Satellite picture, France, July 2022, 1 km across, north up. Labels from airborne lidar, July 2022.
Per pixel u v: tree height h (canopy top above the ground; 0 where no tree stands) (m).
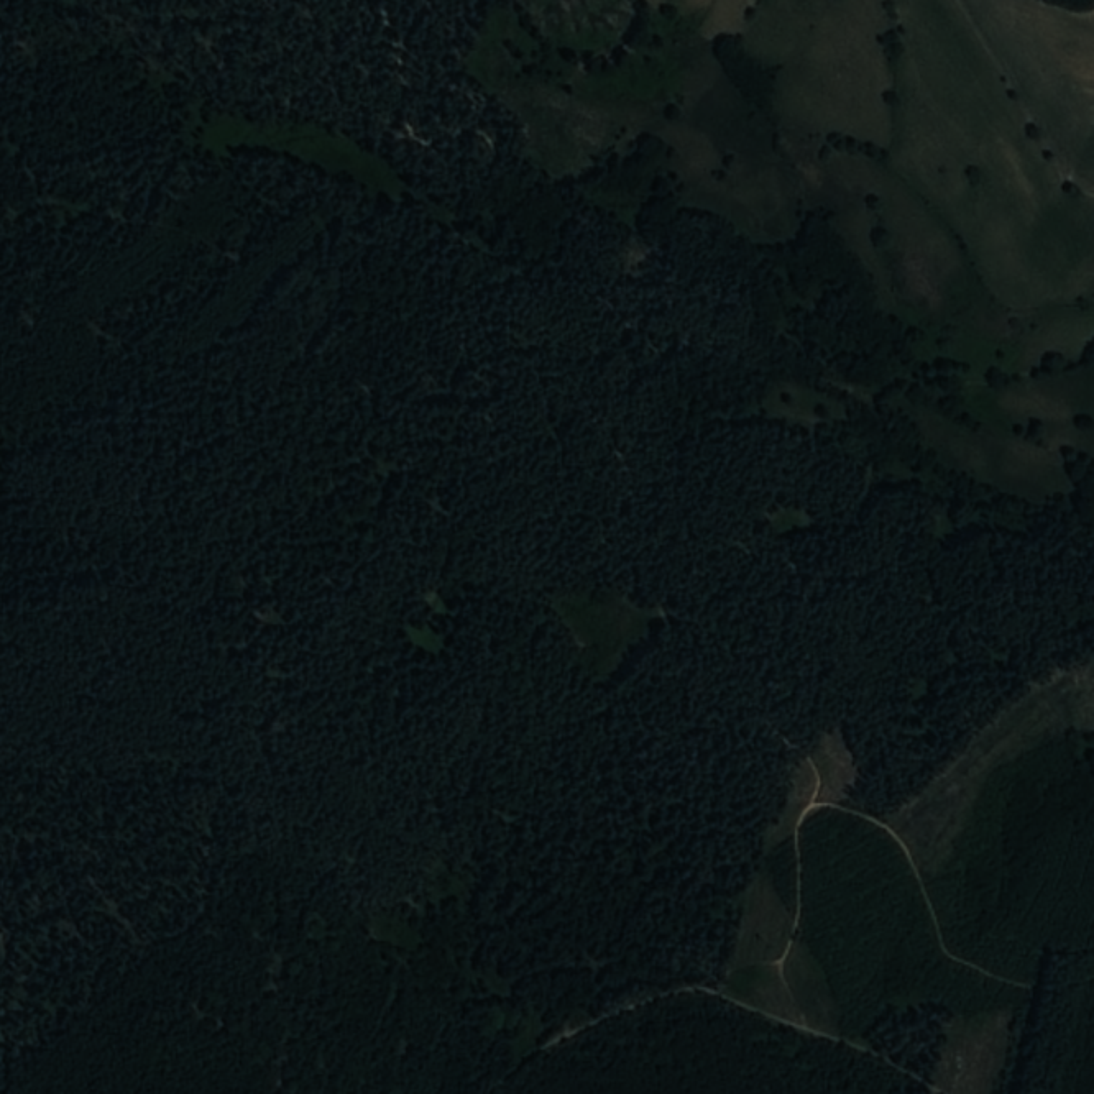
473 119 28
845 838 6
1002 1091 8
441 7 33
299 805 28
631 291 23
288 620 21
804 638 24
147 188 26
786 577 23
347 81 26
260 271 17
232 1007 16
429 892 22
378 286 21
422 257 29
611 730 25
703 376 34
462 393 18
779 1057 8
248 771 26
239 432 25
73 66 14
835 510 23
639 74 0
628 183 17
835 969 6
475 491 23
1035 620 23
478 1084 12
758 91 15
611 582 24
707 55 0
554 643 26
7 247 17
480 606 25
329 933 15
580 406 22
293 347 25
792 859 6
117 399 28
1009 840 7
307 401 17
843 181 0
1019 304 0
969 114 0
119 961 8
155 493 24
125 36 25
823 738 17
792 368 15
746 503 14
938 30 0
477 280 19
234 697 26
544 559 23
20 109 14
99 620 28
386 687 19
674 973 17
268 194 9
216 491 20
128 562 17
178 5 27
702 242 19
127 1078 15
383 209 10
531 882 7
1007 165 0
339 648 24
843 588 22
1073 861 6
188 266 10
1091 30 0
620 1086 11
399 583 21
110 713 24
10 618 28
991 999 6
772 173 0
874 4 0
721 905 14
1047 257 0
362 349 17
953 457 0
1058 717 0
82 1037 19
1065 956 16
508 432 19
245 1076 8
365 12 6
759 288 24
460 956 8
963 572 28
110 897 13
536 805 22
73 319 13
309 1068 13
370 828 25
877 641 21
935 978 7
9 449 8
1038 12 0
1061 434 0
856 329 19
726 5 0
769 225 0
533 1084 10
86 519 24
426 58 30
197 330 19
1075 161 0
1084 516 25
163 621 32
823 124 0
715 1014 7
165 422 19
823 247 23
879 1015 7
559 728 22
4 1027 21
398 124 23
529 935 14
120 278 14
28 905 27
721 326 24
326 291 28
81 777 22
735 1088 10
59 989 20
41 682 27
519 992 14
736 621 23
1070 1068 7
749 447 19
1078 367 9
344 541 22
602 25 0
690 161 0
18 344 11
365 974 14
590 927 16
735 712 22
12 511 17
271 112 24
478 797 23
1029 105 0
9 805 11
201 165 14
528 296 28
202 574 23
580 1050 6
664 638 25
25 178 17
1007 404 0
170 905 19
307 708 28
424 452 24
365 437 24
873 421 16
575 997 20
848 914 6
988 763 0
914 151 0
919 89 0
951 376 21
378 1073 13
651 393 26
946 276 0
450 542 22
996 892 6
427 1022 13
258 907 16
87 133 12
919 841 0
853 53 0
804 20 0
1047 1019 25
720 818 25
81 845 21
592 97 0
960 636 23
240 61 24
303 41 28
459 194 12
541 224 22
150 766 24
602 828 27
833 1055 10
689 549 21
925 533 24
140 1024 15
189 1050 10
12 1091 17
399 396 16
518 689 23
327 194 32
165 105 8
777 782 27
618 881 16
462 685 22
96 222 19
